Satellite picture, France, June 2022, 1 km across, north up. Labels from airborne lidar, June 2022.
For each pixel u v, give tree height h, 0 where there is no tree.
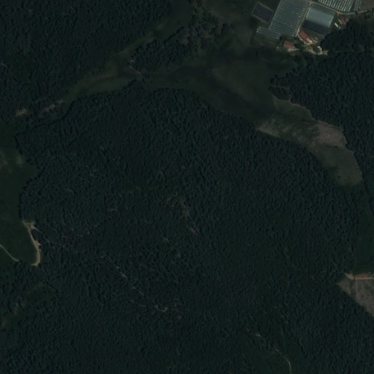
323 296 27
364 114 16
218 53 0
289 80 15
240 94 0
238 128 15
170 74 0
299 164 13
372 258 10
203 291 23
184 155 25
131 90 19
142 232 22
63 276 11
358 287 0
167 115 29
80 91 0
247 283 20
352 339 29
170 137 27
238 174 25
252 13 0
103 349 27
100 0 31
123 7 30
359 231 10
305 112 0
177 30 0
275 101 0
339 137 0
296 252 21
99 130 28
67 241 18
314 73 15
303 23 0
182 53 7
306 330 26
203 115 21
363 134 16
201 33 8
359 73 19
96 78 0
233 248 20
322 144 0
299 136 0
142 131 16
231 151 22
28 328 14
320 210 26
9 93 30
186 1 0
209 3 0
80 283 20
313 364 15
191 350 14
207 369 13
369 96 17
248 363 19
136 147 25
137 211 20
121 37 25
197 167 27
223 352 17
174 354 16
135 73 0
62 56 21
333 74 18
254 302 19
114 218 20
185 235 22
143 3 6
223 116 15
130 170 17
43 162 24
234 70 0
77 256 21
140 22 28
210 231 22
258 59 0
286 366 6
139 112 25
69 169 26
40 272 28
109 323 22
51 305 26
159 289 12
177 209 10
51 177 29
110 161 18
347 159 0
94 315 22
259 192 21
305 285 17
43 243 24
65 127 33
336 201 18
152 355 15
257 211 22
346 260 24
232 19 0
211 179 24
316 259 13
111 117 25
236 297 19
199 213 23
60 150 22
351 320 29
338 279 16
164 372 15
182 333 20
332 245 22
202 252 19
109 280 22
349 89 25
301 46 15
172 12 26
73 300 20
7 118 24
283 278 21
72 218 21
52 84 25
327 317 22
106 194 22
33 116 15
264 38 0
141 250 28
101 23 28
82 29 32
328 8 0
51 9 27
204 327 23
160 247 22
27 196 24
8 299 26
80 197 22
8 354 17
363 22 0
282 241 21
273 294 13
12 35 21
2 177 0
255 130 18
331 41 20
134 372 22
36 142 16
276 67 0
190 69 0
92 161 23
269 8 0
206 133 24
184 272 23
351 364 23
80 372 24
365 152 16
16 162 0
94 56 25
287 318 19
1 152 0
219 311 19
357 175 0
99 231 21
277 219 21
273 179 24
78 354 22
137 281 8
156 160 26
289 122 0
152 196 11
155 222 21
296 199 26
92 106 20
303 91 24
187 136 8
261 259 20
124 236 23
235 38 0
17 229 0
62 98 24
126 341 20
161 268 26
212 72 0
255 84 0
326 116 20
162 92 22
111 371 25
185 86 0
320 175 24
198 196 27
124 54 0
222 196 24
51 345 26
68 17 17
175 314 18
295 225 23
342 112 25
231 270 21
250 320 18
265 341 7
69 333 22
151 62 19
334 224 25
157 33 0
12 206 0
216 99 0
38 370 26
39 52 15
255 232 20
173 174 24
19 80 16
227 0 7
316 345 25
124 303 19
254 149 20
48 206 30
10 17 28
